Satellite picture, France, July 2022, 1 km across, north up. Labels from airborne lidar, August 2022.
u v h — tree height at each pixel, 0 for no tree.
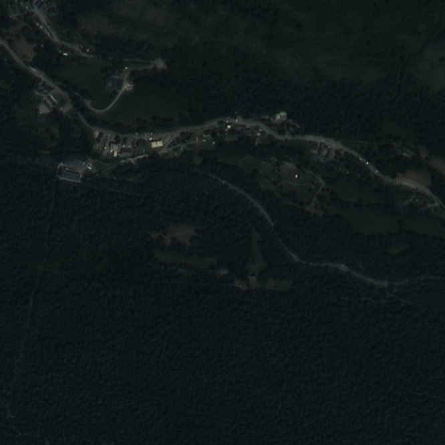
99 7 6
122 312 24
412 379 14
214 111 24
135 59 6
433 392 20
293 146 0
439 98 6
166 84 9
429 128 17
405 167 17
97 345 19
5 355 21
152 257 18
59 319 22
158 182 21
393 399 19
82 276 7
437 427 14
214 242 19
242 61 12
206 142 0
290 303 22
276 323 16
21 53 0
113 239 18
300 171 13
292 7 6
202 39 24
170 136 0
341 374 17
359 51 8
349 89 9
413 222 0
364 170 15
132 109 0
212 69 6
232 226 12
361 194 0
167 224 18
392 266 27
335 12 8
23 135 13
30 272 12
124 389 24
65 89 14
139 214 22
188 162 10
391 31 9
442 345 18
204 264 0
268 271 16
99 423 17
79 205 21
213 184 29
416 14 13
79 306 25
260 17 19
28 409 17
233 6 18
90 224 18
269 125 8
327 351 16
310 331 16
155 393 23
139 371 25
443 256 21
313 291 17
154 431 22
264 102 22
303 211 10
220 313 15
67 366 19
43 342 26
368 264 19
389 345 19
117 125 13
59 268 12
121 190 28
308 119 13
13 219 18
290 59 7
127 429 21
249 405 22
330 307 27
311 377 15
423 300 28
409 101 17
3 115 15
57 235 23
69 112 0
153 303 20
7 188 27
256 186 21
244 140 18
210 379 18
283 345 20
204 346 25
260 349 12
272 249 23
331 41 8
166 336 19
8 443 15
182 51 8
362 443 10
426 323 22
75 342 15
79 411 20
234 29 7
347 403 12
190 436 19
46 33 0
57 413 12
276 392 22
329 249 21
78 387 22
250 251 10
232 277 9
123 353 22
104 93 0
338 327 18
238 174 24
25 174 29
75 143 9
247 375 17
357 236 17
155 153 10
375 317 19
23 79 27
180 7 7
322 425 25
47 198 25
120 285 17
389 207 19
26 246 19
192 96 9
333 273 14
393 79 23
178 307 20
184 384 23
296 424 20
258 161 0
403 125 22
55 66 9
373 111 20
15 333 18
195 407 22
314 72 17
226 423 19
